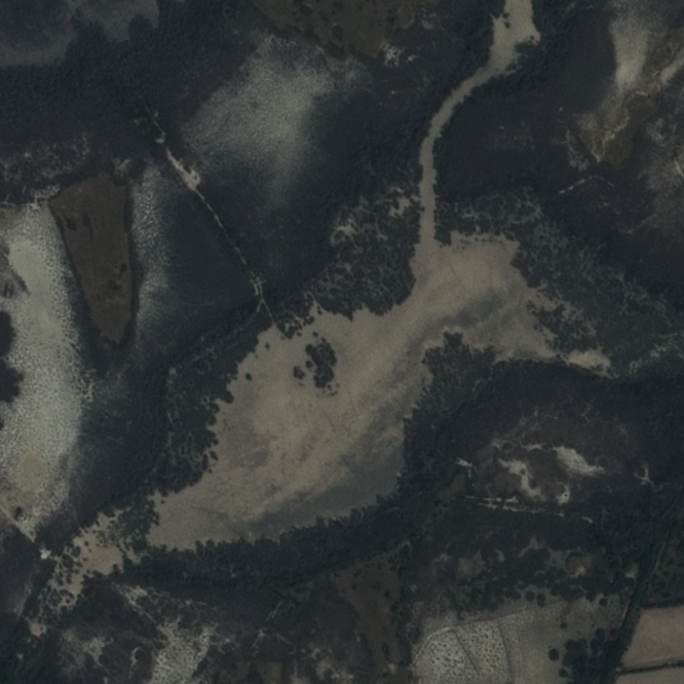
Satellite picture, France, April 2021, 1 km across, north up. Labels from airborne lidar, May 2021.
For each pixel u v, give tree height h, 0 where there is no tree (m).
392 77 0
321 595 0
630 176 0
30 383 0
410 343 0
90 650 0
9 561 0
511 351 0
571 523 0
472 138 0
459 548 0
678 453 0
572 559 0
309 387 0
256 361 0
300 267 0
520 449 0
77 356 0
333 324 0
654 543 8
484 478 0
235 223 0
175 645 0
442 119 0
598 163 0
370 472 0
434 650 0
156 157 0
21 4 0
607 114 0
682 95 0
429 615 0
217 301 0
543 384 0
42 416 0
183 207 0
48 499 0
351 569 0
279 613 0
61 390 0
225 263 0
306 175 0
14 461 0
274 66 0
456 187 0
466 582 0
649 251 0
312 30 0
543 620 0
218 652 0
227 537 0
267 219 0
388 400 0
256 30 0
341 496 0
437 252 0
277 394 0
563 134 0
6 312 0
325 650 0
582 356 0
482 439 0
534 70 7
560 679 0
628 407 0
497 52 0
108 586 0
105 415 0
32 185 0
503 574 0
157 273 0
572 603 0
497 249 0
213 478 0
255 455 0
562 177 0
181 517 0
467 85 0
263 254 0
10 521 0
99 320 0
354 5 0
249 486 0
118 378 0
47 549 0
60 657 0
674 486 0
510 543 0
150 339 0
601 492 0
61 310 0
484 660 0
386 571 0
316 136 0
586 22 0
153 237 0
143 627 0
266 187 0
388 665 0
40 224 0
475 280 0
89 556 0
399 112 0
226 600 0
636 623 0
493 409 0
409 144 6
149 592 0
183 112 0
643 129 0
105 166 0
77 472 0
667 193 0
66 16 0
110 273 0
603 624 0
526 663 0
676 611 0
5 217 0
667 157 0
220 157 0
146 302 0
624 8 0
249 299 0
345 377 0
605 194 0
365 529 0
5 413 0
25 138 0
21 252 0
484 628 0
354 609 0
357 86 0
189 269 0
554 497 0
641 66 0
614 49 0
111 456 0
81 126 0
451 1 0
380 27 0
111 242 0
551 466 0
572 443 0
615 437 0
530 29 0
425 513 0
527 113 0
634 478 0
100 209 0
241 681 0
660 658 0
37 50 0
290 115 0
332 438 0
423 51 0
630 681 0
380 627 0
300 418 0
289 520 0
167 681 0
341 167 0
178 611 0
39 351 0
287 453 0
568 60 0
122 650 0
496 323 0
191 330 0
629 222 0
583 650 0
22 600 0
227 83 0
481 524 0
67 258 0
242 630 0
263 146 0
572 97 0
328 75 0
